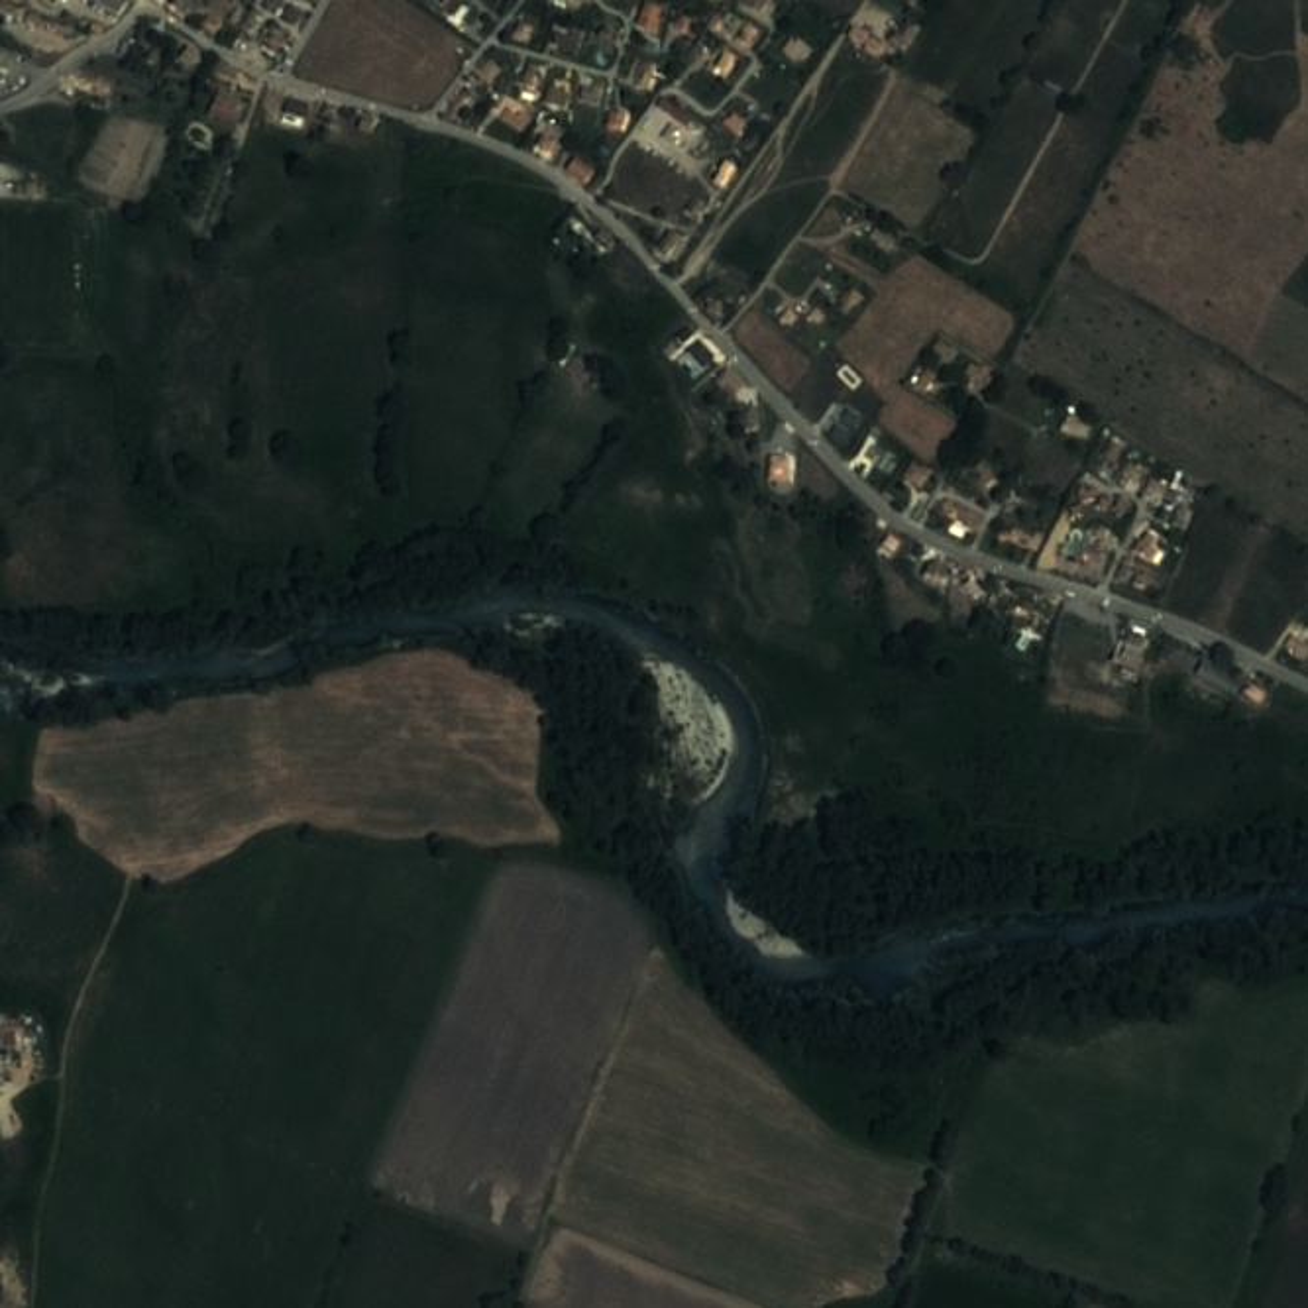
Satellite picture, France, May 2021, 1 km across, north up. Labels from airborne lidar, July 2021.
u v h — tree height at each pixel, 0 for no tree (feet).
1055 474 0
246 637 57
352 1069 0
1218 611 0
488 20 27
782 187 0
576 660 80
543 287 0
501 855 31
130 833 0
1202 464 0
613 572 0
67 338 0
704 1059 0
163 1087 0
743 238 0
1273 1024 0
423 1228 0
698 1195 0
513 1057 0
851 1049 78
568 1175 0
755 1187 0
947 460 39
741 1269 0
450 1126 0
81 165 20
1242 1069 0
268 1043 0
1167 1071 0
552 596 33
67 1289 0
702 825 0
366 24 0
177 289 31
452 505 0
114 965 0
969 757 20
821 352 0
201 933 0
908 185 0
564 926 0
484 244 0
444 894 0
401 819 0
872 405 0
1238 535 0
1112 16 0
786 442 0
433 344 0
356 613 83
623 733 82
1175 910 0
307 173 51
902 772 23
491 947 0
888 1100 22
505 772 0
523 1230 0
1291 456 0
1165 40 31
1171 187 0
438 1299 0
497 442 0
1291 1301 0
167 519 19
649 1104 0
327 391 0
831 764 0
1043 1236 0
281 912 0
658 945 0
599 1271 0
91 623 63
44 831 54
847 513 24
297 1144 0
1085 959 88
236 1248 0
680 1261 0
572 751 80
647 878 70
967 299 0
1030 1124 0
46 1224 0
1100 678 0
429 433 0
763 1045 21
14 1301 0
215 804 0
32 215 0
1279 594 0
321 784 0
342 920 0
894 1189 0
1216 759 0
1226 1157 0
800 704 0
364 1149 0
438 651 0
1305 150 0
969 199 0
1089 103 28
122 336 0
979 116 24
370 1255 0
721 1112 0
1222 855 75
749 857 79
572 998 0
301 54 0
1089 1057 0
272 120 0
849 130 0
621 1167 0
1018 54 0
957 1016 88
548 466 0
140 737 0
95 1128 0
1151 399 0
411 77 0
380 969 0
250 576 42
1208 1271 0
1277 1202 65
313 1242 0
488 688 0
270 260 0
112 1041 0
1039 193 0
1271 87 0
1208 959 71
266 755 0
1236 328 0
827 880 86
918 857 94
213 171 36
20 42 0
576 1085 0
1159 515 37
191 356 0
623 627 0
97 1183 0
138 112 0
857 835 93
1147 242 0
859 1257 0
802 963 0
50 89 0
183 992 0
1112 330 0
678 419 0
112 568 0
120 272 0
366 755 0
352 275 0
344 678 0
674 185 0
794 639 0
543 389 45
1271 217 0
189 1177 0
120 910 0
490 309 0
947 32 0
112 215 0
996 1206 0
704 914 51
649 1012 0
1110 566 19
